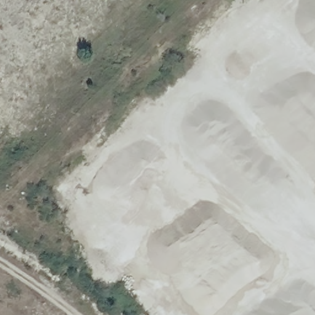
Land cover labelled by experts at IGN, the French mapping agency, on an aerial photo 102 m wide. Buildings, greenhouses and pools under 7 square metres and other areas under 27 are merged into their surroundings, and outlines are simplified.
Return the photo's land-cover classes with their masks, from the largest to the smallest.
<instances>
[{"label":"pervious surface","instance_id":"1","mask_svg":"<svg viewBox=\"0 0 315 315\"><path fill-rule=\"evenodd\" d=\"M112 0H0V126H9L12 137H21L27 124L18 121V118L22 116L25 119H32L41 112L37 86L47 87L49 78L63 74V70L55 69V65L62 62L63 58L71 62L78 57L76 48L79 39H85L87 34H96L105 27L103 20L108 11V2ZM194 47L201 49V53L196 57L192 68L183 78L178 79L175 85L167 86L164 94L155 100L150 97L143 98L140 105L124 119L116 132L108 135L105 128H101L89 144L82 146L85 160L81 161L70 175L65 176L57 189V191L62 193L63 198L69 199L65 226L73 230L71 237L85 246L81 251L82 257L92 269V278L106 283L123 281L128 292L137 295L139 304L149 311V315H315V0H235L230 9L213 22L207 36L194 44ZM0 246L14 253L17 258L25 260L38 271L46 272L53 281H59L60 277L50 272L48 267L41 265L38 256L32 252L23 253L7 235L0 237ZM0 268L36 290L68 315H82L78 309L63 299L59 289L47 279L41 277V281L37 282L30 274L12 265L5 258L0 261Z\"/></svg>","mask_w":315,"mask_h":315},{"label":"herbaceous vegetation","instance_id":"2","mask_svg":"<svg viewBox=\"0 0 315 315\"><path fill-rule=\"evenodd\" d=\"M235 0H112L108 2V11L103 20L105 27L96 34H87L85 39L91 43V58L80 60L78 57L71 62L63 58L62 62L55 65V69L63 70V74L49 78L47 87L37 86L41 112L32 119H25L22 116L18 118V121L27 124L21 137L36 139L39 153L27 164L16 161V165L11 167V177L0 186V237L7 235L12 230L15 234L17 231L28 234L34 241L41 235H46L49 240L60 239L62 252L64 256H68L69 247H74L75 258L82 257L81 251L85 246L71 237L73 230L65 226L69 199L63 198L62 193L57 191V217L44 221L39 219L37 208H27L26 193L20 189L27 185V182L37 183L44 180L49 186L57 189L65 176L70 175L81 161L85 160L82 146L89 144L101 128H105L110 117L108 112L113 111V91H127L130 82L138 78L144 80L146 73H154L159 69L165 50L171 48L183 53L188 49L196 57L201 53V49L194 47V44L207 36L213 22L230 9ZM20 137H12L9 126H0V151L4 148L14 150ZM5 258L12 265L30 274L37 282L41 281V277L47 279L59 289L63 299L78 309L82 315H107L98 310L97 304L89 295L75 287L69 277H60L59 281H53L46 272L38 271L25 260L17 258L14 253L0 246V261ZM0 315H68L36 290L0 268Z\"/></svg>","mask_w":315,"mask_h":315},{"label":"brushwood","instance_id":"3","mask_svg":"<svg viewBox=\"0 0 315 315\"><path fill-rule=\"evenodd\" d=\"M196 57L188 49L183 53L171 48L165 50L159 69L154 73H146L144 80L138 78L130 82L127 91H113V111L108 112L110 117L105 128L108 135L116 132L124 119L140 105L143 98L150 97L155 100L164 94L167 86L175 85L178 79L183 78L192 68ZM14 150L4 148L0 151V186L11 177V167L16 165V161L27 164L39 153L36 139L21 137H20ZM26 193L27 208H37L39 219L44 221L57 217V189L49 186L44 180L37 183L27 182V185L20 189ZM23 253L32 252L38 256L43 251L62 252L60 239L49 240L46 235H41L34 241L28 234L17 231L15 234L12 230L7 235Z\"/></svg>","mask_w":315,"mask_h":315},{"label":"deciduous trees","instance_id":"4","mask_svg":"<svg viewBox=\"0 0 315 315\"><path fill-rule=\"evenodd\" d=\"M78 57L80 60L91 58V43L85 39H79L76 48ZM68 256H64L62 252L43 251L38 256L41 265L48 267L50 272L60 277H69L75 287L89 295L97 304L98 310L107 315H149V311L139 304L137 295L128 292L123 281L106 283L92 278V269L82 257L75 258L74 247H69Z\"/></svg>","mask_w":315,"mask_h":315}]
</instances>
